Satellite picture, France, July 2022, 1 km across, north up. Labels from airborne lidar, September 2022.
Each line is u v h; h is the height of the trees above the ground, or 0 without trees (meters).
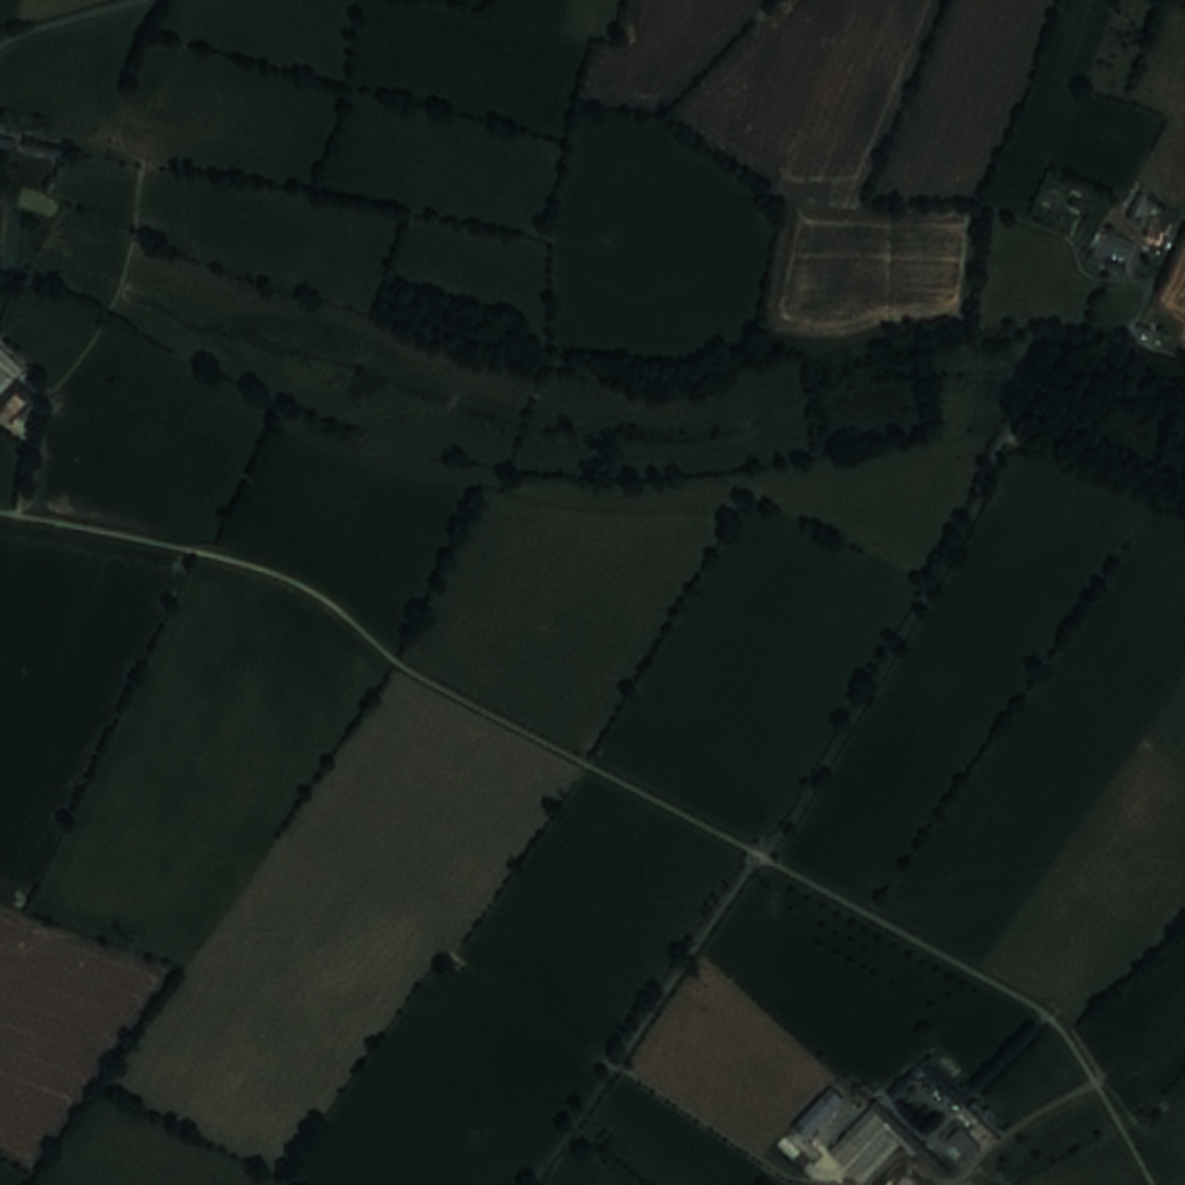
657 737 0
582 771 0
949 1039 0
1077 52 0
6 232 0
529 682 0
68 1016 0
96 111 0
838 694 0
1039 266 0
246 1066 0
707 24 0
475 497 16
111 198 0
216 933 0
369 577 0
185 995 0
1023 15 0
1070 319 0
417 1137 0
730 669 0
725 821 0
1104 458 23
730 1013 0
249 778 0
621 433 8
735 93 0
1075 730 0
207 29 0
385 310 18
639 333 0
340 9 0
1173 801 0
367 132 0
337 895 0
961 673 0
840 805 0
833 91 0
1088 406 31
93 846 0
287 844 0
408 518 0
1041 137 0
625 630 0
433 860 0
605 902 0
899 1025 0
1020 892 0
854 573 0
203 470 0
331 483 0
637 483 19
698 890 0
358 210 9
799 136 0
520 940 0
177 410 0
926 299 0
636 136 0
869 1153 0
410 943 0
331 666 0
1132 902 0
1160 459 15
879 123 0
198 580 0
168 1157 0
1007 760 0
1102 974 0
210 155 0
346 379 0
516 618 0
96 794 0
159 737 0
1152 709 0
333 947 0
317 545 0
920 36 0
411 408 0
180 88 0
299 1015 0
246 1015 0
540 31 0
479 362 20
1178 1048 0
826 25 0
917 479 0
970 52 0
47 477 0
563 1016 0
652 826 0
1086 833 0
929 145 0
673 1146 0
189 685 0
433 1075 0
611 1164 7
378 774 0
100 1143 0
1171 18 0
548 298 14
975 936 0
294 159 0
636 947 0
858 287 0
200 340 0
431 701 0
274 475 0
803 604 0
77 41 0
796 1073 0
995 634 0
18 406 0
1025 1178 0
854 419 0
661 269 0
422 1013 0
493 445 0
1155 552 0
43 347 0
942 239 0
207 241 0
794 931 0
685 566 0
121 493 0
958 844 0
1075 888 0
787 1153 0
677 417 0
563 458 0
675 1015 0
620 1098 0
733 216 0
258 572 0
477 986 0
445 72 0
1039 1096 0
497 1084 0
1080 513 0
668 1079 0
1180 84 0
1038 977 0
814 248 0
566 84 0
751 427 0
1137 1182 0
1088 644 0
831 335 0
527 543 0
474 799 0
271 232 0
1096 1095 0
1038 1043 13
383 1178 0
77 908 0
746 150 0
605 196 0
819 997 0
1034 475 0
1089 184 14
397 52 0
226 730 0
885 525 0
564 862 0
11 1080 0
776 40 0
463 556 0
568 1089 0
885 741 0
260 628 0
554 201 12
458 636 0
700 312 0
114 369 0
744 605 0
